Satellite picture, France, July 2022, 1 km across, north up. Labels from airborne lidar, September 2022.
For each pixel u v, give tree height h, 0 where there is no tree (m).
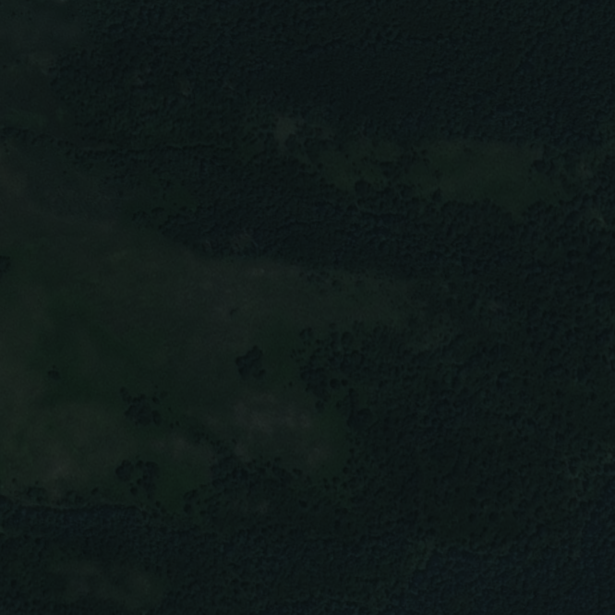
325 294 11
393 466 16
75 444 0
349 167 0
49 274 0
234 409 0
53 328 0
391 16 22
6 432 0
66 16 0
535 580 24
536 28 15
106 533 20
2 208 0
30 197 0
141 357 0
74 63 15
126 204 0
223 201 15
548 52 23
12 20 0
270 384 0
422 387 10
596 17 15
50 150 0
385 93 29
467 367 23
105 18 21
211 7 28
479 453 9
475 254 23
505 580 21
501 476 23
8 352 0
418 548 24
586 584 21
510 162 0
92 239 0
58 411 0
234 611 25
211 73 14
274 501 10
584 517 29
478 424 22
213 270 0
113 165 8
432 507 8
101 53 7
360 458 7
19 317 0
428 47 32
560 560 27
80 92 14
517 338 11
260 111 12
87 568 0
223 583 10
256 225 29
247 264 0
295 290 0
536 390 7
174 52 15
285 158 10
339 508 7
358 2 18
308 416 0
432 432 16
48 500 12
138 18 10
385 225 12
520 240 23
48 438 0
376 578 19
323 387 20
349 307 0
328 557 20
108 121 16
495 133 26
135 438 0
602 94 9
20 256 0
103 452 0
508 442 12
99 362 0
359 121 18
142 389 0
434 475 9
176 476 0
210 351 0
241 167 14
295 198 25
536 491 16
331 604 28
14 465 0
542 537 28
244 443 0
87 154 8
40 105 0
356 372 8
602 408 15
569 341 24
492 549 28
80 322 0
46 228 0
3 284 0
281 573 21
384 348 8
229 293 0
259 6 14
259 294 0
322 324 0
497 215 14
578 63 19
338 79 26
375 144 14
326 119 14
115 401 0
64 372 0
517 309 27
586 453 19
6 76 0
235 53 24
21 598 20
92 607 8
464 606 27
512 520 9
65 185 0
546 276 26
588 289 17
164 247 0
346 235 29
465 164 0
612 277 10
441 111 31
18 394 0
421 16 22
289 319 0
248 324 0
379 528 22
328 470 0
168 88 16
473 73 23
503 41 22
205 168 20
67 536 20
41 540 16
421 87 30
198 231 22
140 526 23
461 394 25
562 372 30
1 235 0
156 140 15
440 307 11
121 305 0
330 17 18
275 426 0
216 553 16
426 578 29
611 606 26
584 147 21
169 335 0
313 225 28
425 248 27
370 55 25
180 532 10
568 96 21
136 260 0
